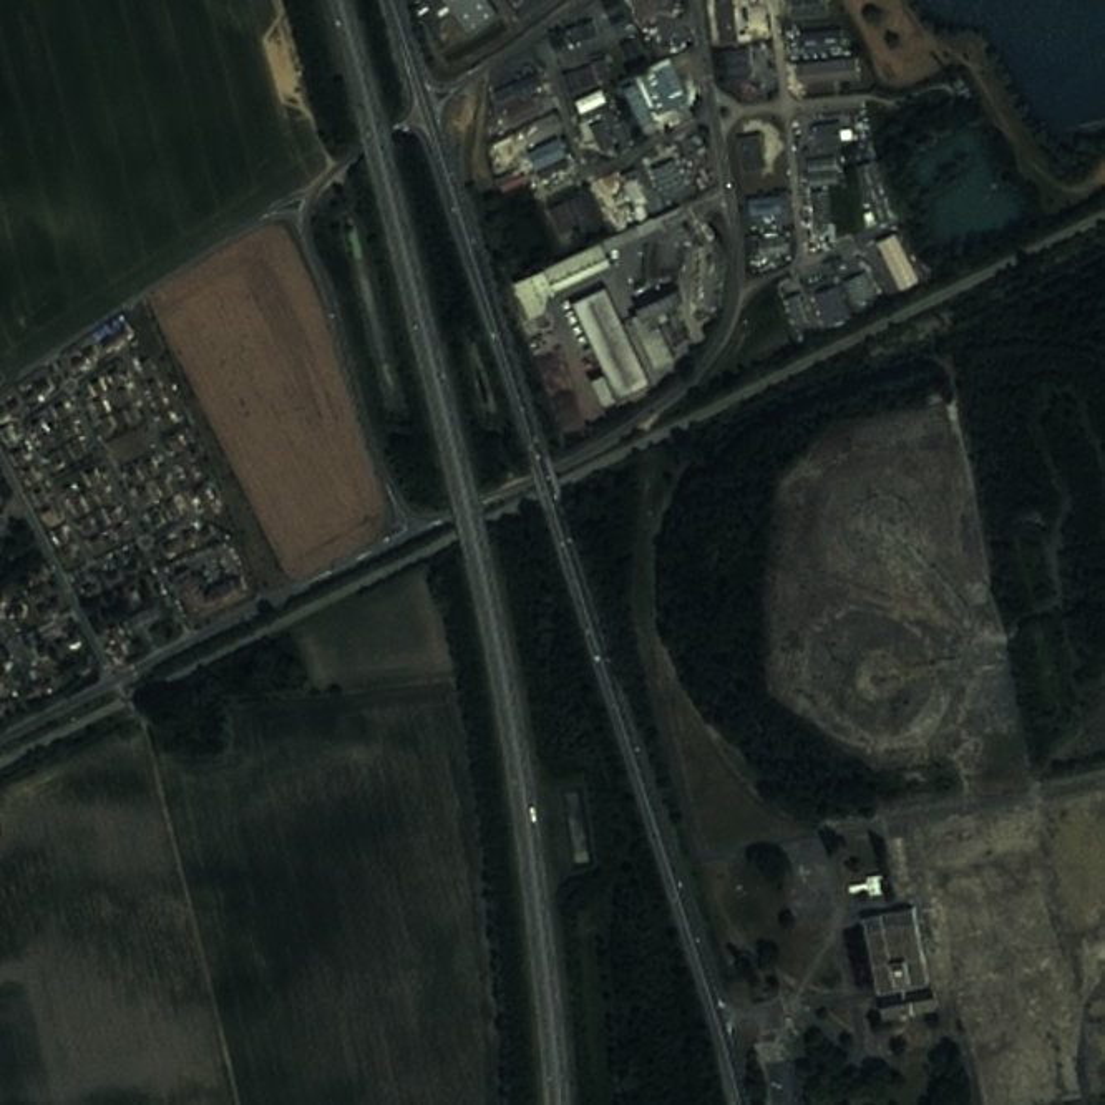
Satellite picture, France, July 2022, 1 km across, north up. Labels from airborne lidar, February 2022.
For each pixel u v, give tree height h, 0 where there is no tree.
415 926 0
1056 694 0
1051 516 8
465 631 9
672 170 0
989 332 16
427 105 0
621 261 0
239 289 0
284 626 0
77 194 0
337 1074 0
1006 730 0
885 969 0
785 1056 0
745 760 12
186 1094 0
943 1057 14
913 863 0
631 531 10
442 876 0
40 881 0
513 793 0
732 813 0
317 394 0
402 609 0
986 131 16
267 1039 0
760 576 22
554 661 24
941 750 0
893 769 0
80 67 0
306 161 0
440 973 0
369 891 0
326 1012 0
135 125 0
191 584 0
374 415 0
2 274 0
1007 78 11
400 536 0
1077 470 11
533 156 0
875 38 0
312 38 8
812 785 20
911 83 0
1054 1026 0
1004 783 0
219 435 0
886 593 0
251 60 0
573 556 0
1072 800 0
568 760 14
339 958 0
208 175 0
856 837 0
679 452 16
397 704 0
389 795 0
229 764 0
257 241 0
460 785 0
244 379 0
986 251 9
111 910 0
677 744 0
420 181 11
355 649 0
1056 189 0
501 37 0
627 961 12
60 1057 0
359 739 0
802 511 0
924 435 0
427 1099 0
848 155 11
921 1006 0
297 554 0
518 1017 9
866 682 0
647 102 0
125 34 0
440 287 10
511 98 0
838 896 0
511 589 10
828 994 0
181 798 0
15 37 0
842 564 0
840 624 0
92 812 0
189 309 0
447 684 0
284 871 0
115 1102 0
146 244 0
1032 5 0
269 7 0
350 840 0
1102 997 0
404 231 0
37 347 0
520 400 0
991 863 0
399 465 8
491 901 15
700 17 0
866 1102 0
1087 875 0
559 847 0
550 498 0
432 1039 0
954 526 0
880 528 0
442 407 0
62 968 0
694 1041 12
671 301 0
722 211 0
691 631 27
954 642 0
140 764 0
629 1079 19
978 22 0
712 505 23
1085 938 0
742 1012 0
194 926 0
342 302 0
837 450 0
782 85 0
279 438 0
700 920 0
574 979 9
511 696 0
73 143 0
